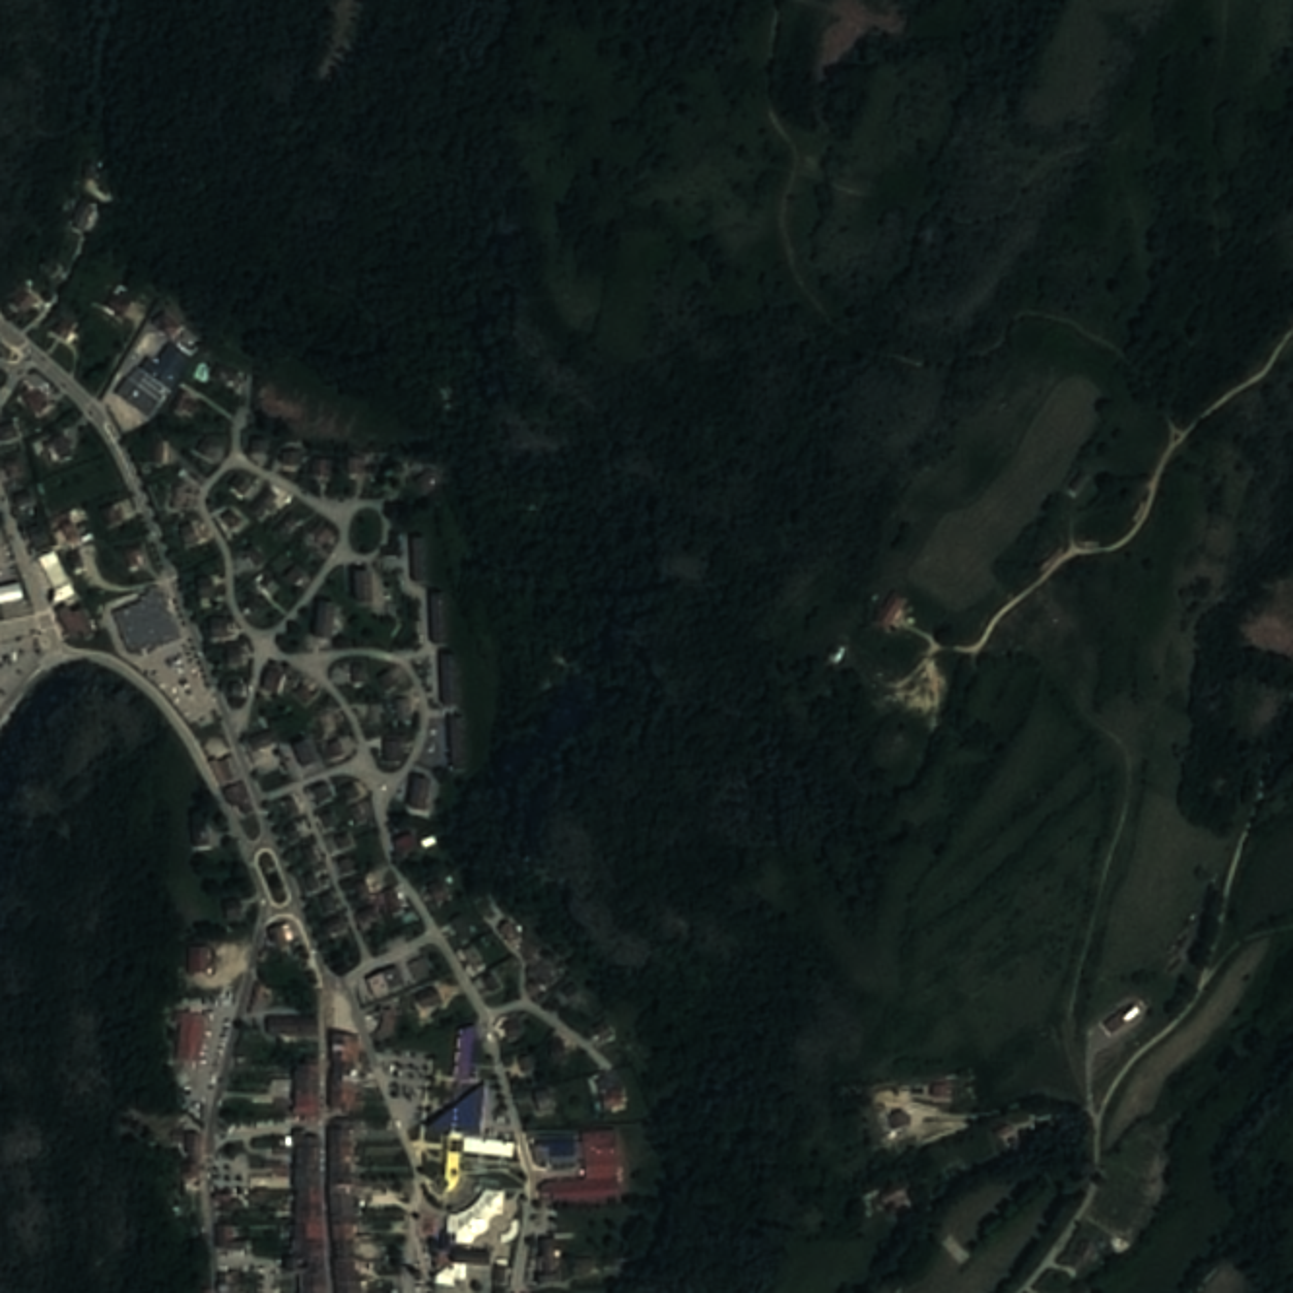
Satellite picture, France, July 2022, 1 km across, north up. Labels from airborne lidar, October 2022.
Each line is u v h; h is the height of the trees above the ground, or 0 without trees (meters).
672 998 17
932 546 0
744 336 8
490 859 24
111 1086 8
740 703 13
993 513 0
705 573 7
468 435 18
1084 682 0
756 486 9
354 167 9
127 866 18
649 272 0
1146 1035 0
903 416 6
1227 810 17
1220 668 17
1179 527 0
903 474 7
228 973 0
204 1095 0
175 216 14
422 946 0
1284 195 6
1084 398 0
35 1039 14
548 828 15
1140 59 7
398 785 0
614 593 22
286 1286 0
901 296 6
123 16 25
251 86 12
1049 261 7
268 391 0
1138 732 0
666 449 10
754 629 8
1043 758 0
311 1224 0
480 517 19
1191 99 9
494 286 22
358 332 10
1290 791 6
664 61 14
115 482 0
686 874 15
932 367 10
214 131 9
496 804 17
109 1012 22
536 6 7
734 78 9
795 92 14
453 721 0
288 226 16
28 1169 7
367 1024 0
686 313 8
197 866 15
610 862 13
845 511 7
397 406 22
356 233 21
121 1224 9
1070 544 0
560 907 17
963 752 8
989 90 7
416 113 17
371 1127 0
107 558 0
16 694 0
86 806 10
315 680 0
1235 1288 0
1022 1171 26
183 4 21
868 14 0
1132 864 0
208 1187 0
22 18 9
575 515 14
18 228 6
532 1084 11
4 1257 8
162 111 15
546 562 16
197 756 0
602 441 19
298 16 15
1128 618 0
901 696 0
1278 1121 9
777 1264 33
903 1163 8
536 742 10
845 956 0
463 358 17
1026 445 0
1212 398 9
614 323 0
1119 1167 0
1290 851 0
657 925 12
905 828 7
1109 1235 0
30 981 7
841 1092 7
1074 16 0
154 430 8
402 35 18
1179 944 6
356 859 6
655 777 8
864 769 9
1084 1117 27
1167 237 7
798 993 15
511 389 20
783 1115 9
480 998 0
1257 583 14
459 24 28
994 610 0
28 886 6
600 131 0
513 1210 0
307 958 7
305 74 10
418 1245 0
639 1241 21
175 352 0
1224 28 0
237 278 18
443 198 21
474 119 17
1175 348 9
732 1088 16
